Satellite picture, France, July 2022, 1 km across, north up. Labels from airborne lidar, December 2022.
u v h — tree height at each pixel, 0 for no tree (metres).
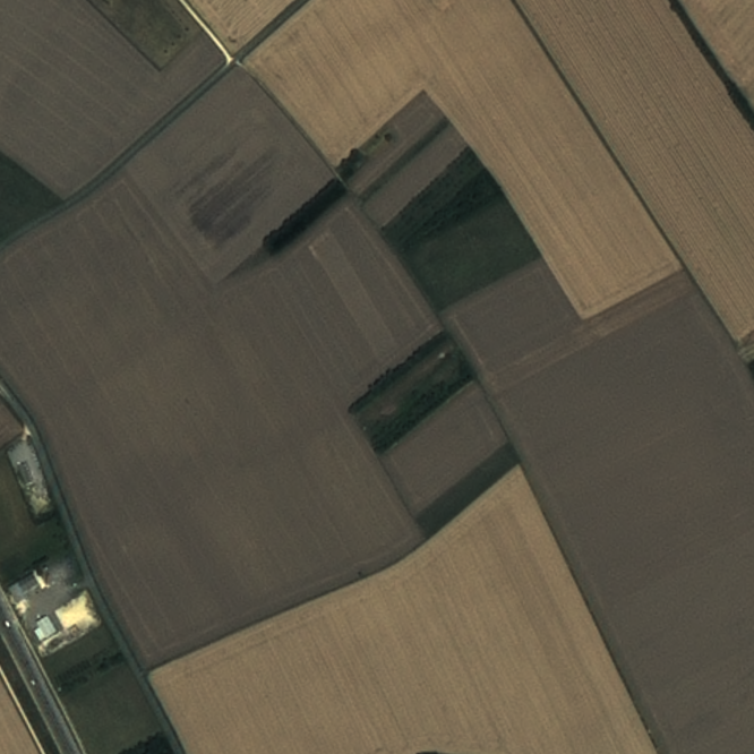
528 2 0
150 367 0
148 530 0
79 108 0
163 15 0
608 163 0
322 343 0
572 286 0
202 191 0
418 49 0
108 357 0
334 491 0
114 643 0
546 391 0
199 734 0
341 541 0
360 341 0
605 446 0
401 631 0
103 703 0
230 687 0
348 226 0
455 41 0
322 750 0
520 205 0
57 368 0
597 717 0
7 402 0
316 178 0
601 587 0
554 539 0
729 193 0
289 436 0
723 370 0
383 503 0
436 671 0
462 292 0
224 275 0
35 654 0
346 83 0
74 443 0
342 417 0
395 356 0
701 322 0
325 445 0
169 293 0
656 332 0
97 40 0
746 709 0
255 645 0
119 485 0
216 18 0
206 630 0
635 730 0
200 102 0
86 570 0
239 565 0
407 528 0
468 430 0
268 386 0
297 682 0
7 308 0
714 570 0
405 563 0
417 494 0
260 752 0
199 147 0
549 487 0
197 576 0
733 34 0
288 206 0
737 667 0
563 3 0
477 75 0
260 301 0
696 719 0
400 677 0
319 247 0
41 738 0
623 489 0
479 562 0
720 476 0
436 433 0
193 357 0
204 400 0
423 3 0
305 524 0
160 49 0
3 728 0
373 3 0
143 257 0
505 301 0
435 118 0
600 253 0
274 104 0
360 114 0
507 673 0
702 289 0
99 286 0
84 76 0
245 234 0
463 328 0
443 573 0
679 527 0
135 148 0
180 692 0
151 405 0
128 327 0
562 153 0
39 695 0
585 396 0
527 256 0
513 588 0
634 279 0
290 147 0
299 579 0
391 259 0
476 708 0
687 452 0
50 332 0
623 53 0
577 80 0
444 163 0
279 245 12
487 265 0
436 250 0
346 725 0
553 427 0
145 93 0
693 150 0
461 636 0
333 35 0
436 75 0
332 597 0
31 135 0
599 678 0
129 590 0
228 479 0
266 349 0
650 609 0
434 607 0
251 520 0
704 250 0
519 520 0
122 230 0
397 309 0
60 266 0
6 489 0
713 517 0
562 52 0
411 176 0
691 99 0
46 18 0
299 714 0
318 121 0
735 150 0
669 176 0
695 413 0
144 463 0
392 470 0
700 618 0
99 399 0
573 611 0
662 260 0
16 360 0
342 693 0
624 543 0
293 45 0
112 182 0
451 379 0
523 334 0
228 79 0
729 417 0
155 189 0
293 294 0
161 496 0
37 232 0
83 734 0
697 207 0
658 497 0
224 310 0
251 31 0
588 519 0
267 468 0
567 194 0
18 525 0
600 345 0
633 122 0
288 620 0
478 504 0
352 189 0
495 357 0
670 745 0
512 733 0
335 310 0
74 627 0
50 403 0
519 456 0
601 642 0
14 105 0
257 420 0
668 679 0
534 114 0
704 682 0
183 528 0
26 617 0
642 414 0
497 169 0
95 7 0
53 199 0
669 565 0
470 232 0
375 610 0
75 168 0
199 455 0
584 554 0
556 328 0
